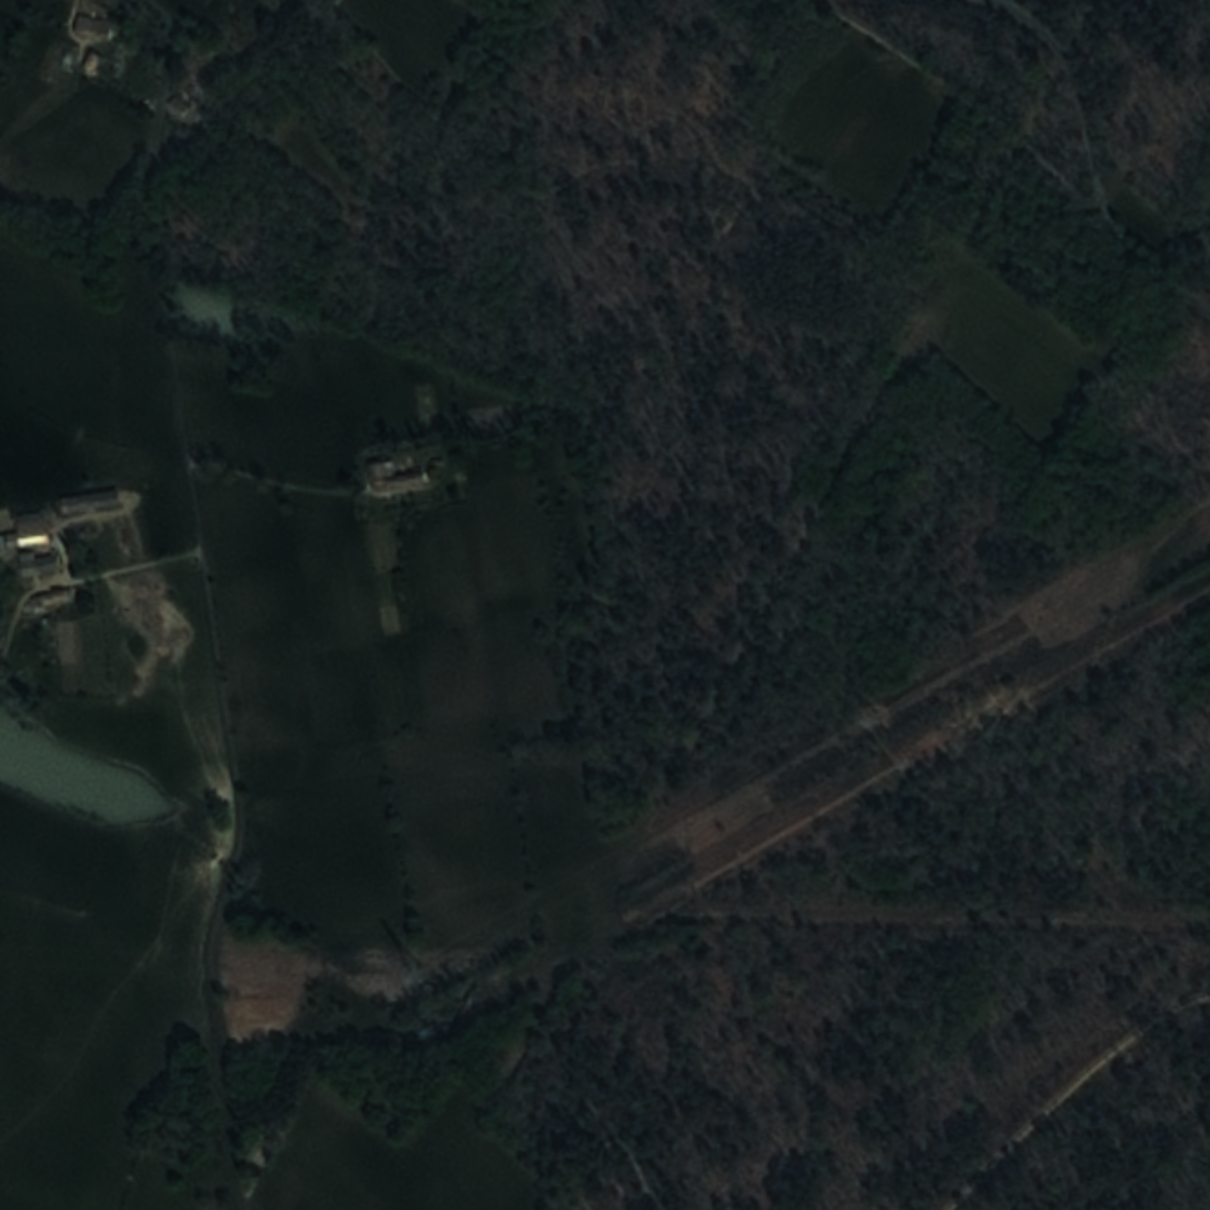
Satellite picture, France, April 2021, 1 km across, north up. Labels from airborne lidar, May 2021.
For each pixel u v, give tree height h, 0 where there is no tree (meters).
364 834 0
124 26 14
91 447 0
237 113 21
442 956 0
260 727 0
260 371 27
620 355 21
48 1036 0
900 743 8
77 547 20
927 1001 11
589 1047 8
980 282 0
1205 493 13
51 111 0
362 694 0
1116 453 17
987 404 14
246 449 0
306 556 0
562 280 15
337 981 0
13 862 0
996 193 15
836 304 28
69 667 0
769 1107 12
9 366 0
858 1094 11
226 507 0
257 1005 0
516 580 0
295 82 19
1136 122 15
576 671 13
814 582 14
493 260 23
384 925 0
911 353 0
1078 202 21
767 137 15
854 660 16
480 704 0
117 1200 0
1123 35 13
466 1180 0
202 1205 12
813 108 0
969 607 8
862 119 0
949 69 18
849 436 20
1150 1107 17
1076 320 21
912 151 0
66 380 0
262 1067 16
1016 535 20
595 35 14
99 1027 0
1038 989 14
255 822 0
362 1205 0
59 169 0
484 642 0
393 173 11
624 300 14
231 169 22
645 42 12
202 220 10
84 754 0
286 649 0
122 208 22
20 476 0
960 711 12
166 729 0
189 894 0
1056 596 0
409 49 0
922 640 10
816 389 17
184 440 0
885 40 16
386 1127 12
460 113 17
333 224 21
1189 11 14
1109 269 24
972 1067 14
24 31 13
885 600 15
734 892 8
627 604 16
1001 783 18
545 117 16
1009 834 22
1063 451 19
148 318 0
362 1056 21
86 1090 0
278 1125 9
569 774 0
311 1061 15
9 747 0
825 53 8
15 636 0
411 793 0
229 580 0
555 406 17
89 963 0
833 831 14
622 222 7
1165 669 10
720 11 22
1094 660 0
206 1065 18
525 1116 12
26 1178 0
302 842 0
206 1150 12
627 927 0
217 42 18
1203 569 12
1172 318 21
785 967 9
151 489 0
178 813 0
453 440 25
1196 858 12
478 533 0
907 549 16
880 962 16
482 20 15
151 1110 19
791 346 22
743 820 0
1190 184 20
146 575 0
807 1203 28
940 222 22
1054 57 6
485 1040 17
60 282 0
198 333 8
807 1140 17
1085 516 24
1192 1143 19
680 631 10
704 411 11
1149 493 21
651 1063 7
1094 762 10
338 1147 0
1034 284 21
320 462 0
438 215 11
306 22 21
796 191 8
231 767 0
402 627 0
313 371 0
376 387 0
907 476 23
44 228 23
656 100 10
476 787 0
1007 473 16
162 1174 0
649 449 14
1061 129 13
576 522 0
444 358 19
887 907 15
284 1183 0
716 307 15
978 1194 21
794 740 7
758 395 23
